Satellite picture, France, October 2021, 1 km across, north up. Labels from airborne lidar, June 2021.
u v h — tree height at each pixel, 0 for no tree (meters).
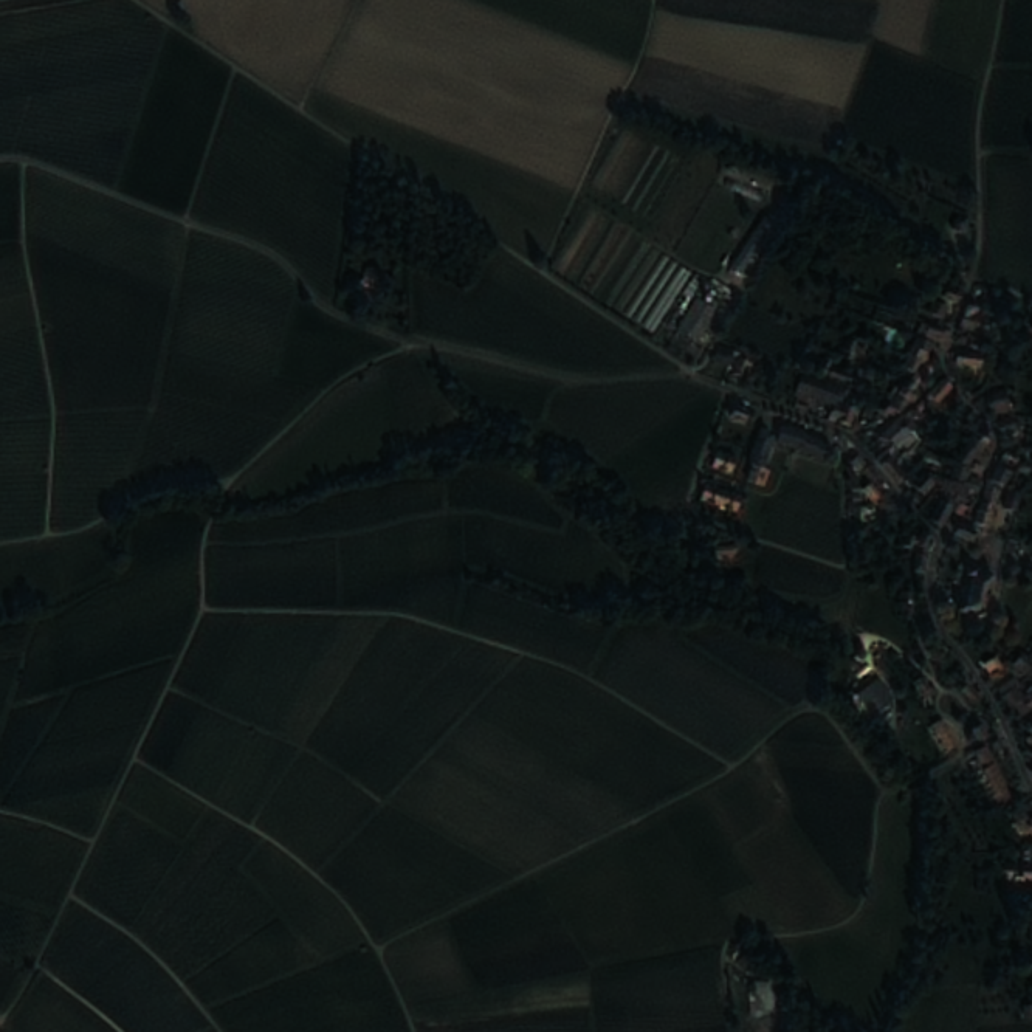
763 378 7
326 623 0
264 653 0
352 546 0
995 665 0
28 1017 0
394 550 0
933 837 24
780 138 0
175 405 0
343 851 0
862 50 0
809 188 24
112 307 0
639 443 0
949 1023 0
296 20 0
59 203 0
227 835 0
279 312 0
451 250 23
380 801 0
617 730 0
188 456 0
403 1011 0
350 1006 0
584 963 0
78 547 0
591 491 15
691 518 7
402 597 0
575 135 0
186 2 0
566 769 0
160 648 0
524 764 0
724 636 0
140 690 0
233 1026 0
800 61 0
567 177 0
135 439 0
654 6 0
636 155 0
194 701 0
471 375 0
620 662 0
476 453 24
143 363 0
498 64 0
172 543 0
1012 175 0
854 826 0
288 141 0
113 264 0
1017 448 10
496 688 0
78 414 0
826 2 0
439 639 0
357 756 0
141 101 0
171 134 0
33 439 0
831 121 0
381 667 0
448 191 0
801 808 0
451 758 0
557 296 0
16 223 0
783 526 0
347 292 11
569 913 0
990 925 0
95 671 0
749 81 0
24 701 0
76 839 0
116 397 0
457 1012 0
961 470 0
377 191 19
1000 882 0
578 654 0
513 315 0
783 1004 21
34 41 0
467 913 0
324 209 0
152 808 0
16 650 0
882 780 13
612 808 0
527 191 0
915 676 7
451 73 0
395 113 0
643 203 0
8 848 0
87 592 0
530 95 0
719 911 0
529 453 27
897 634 0
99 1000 0
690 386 0
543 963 0
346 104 0
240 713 0
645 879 0
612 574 0
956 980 0
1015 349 20
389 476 14
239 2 0
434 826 0
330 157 0
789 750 0
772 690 0
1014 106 0
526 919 0
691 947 0
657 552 31
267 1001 0
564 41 0
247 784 0
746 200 0
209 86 0
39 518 0
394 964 0
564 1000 0
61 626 0
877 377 13
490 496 0
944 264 24
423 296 0
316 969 0
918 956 22
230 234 0
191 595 0
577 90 0
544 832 0
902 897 0
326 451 0
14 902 0
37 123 0
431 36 0
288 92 0
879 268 0
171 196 0
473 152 0
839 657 26
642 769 0
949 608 16
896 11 0
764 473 0
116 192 0
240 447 0
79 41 0
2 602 0
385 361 0
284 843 0
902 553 7
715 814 0
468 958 0
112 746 0
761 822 0
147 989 0
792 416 6
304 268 0
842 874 0
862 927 0
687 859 0
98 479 0
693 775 0
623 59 0
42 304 0
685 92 0
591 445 0
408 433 0
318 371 0
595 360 0
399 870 0
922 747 0
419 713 0
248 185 0
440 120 0
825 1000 0
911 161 0
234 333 0
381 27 0
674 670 0
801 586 0
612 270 0
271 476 0
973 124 0
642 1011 0
